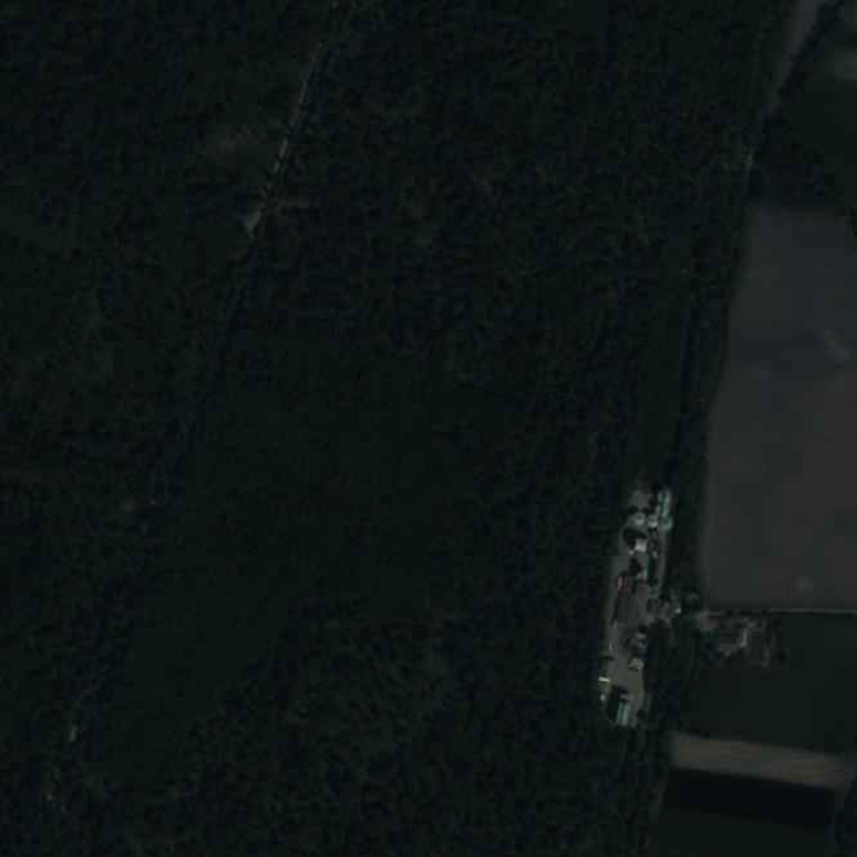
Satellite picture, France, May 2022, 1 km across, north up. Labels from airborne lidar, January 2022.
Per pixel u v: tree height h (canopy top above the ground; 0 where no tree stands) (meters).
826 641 0
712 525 0
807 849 0
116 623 20
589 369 29
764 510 0
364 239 26
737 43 21
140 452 24
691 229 24
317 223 27
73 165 25
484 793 27
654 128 0
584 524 25
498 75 22
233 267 13
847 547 0
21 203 28
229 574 23
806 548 0
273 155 0
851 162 0
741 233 0
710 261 22
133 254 0
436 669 0
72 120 26
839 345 0
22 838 23
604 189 24
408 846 35
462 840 29
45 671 24
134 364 0
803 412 0
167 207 22
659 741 18
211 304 0
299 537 24
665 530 0
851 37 0
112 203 22
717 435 0
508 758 32
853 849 20
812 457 0
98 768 17
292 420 25
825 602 0
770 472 0
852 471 0
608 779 20
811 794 0
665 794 0
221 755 23
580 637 30
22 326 0
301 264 18
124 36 16
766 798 0
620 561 0
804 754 0
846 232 0
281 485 23
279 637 26
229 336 15
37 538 27
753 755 0
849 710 0
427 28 25
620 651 0
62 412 0
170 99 22
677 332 0
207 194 30
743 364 0
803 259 0
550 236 22
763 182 21
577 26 0
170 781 28
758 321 0
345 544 26
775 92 0
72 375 0
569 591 17
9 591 30
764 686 0
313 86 18
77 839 30
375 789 16
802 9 0
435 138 13
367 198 24
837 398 0
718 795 0
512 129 0
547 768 31
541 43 24
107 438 26
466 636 28
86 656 18
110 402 25
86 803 10
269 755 18
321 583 26
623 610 0
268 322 24
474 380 29
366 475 18
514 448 24
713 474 0
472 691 34
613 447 23
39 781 35
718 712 0
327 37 19
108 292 21
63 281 0
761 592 0
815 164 19
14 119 16
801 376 0
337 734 0
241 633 0
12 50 24
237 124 0
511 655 34
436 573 26
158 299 0
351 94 7
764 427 0
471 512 24
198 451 15
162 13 26
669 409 0
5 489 27
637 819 22
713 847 0
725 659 9
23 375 0
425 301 11
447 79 28
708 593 0
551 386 11
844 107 0
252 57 14
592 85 17
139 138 15
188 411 26
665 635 14
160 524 39
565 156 28
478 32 28
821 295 0
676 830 0
